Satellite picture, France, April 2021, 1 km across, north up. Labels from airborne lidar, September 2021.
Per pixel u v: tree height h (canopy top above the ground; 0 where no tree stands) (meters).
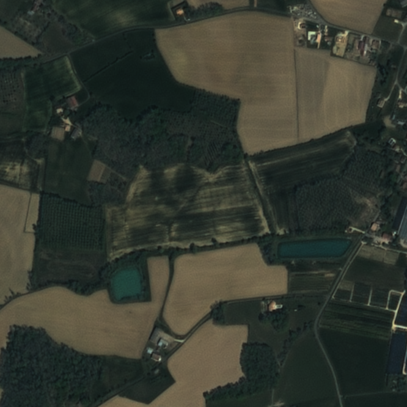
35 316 0
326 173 0
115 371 0
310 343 0
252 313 0
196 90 5
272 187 0
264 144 0
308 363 0
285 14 0
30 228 0
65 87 0
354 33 0
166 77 0
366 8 0
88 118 13
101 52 0
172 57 0
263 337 0
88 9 0
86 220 22
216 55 0
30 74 0
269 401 0
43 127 0
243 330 0
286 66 0
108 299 0
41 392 19
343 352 0
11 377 22
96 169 0
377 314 6
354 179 13
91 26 0
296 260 0
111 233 0
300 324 0
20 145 0
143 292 9
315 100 0
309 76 0
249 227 0
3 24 12
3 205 0
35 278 16
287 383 0
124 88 0
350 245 0
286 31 0
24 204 0
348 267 0
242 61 0
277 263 15
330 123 0
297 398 0
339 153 0
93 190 19
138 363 0
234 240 0
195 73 0
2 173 0
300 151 0
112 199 20
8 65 11
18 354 17
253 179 0
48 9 14
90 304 0
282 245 0
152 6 0
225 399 18
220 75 0
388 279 0
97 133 17
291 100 0
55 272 0
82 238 22
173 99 0
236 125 7
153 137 13
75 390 21
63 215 28
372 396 0
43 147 20
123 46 0
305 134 0
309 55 0
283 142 0
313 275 0
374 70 0
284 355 12
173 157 16
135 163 16
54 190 0
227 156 18
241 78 0
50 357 23
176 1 0
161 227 0
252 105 0
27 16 11
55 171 0
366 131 7
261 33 0
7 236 0
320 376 0
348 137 0
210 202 0
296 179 0
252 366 22
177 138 17
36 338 16
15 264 0
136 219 0
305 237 22
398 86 0
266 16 0
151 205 0
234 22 0
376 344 0
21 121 0
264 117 0
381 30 0
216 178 0
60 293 0
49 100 0
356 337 0
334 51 0
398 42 0
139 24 0
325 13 0
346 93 0
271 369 19
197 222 0
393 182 12
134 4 0
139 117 0
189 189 0
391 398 0
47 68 0
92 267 0
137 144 21
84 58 0
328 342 0
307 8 0
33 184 0
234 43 0
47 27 10
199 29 0
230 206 0
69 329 0
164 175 0
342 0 0
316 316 0
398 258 0
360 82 0
